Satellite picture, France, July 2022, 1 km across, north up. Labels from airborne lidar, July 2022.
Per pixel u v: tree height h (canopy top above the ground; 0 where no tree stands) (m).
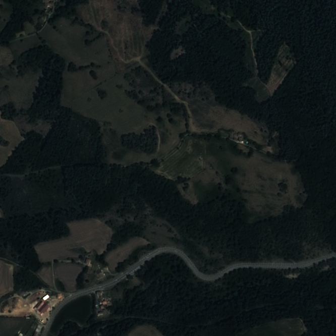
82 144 10
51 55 11
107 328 18
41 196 0
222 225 11
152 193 15
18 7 7
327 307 11
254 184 0
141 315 6
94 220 0
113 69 0
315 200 17
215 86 21
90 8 0
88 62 0
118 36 0
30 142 12
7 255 0
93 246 0
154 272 11
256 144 8
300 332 0
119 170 18
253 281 13
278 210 0
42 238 14
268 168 0
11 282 0
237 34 24
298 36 9
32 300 0
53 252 0
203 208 14
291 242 9
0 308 0
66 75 0
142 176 14
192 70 8
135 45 0
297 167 17
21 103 0
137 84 0
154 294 14
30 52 11
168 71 7
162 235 0
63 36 0
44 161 8
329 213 9
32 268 7
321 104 11
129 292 17
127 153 0
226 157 0
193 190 0
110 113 0
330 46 16
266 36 15
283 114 16
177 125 0
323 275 25
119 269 14
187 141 0
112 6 0
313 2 28
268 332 0
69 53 0
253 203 0
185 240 8
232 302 30
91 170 34
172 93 0
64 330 15
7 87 9
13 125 0
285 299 10
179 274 14
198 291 18
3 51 0
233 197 0
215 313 29
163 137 0
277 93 15
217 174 7
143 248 8
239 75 20
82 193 22
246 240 7
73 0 36
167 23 24
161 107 17
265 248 11
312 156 24
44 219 21
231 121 0
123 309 17
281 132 16
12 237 6
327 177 24
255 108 17
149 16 18
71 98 0
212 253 12
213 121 0
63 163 16
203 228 9
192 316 24
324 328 21
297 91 11
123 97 0
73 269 0
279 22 19
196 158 0
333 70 16
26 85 0
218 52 19
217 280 11
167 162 0
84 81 0
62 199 0
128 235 18
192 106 0
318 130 15
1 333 0
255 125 0
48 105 12
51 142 24
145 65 0
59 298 0
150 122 0
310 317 20
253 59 8
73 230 0
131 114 0
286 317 12
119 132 0
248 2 22
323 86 16
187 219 19
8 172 11
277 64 0
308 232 7
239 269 12
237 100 20
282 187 10
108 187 14
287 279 13
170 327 7
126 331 14
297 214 9
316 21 13
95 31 12
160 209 20
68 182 27
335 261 17
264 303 6
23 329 0
